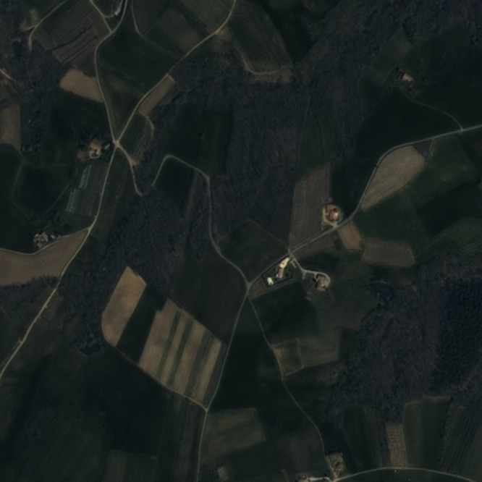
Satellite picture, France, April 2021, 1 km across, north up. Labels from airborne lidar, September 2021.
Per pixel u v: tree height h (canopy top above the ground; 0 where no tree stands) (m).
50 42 0
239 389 0
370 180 0
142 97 0
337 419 17
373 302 0
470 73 0
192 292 0
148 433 0
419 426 0
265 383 0
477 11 25
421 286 19
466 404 12
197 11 0
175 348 0
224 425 0
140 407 0
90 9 0
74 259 0
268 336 0
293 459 0
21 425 0
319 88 8
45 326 0
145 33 0
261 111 20
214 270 0
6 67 12
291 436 0
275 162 13
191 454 0
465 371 18
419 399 8
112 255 20
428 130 0
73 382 0
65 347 0
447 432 8
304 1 0
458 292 27
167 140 0
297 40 0
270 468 0
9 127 0
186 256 0
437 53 0
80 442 0
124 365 0
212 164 0
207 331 0
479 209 0
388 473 0
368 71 0
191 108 0
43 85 12
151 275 20
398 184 0
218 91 10
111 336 0
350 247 0
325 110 0
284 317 0
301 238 0
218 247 0
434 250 0
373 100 0
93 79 0
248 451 0
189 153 0
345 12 14
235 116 16
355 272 0
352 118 9
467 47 0
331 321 0
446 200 0
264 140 11
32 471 0
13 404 0
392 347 12
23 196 0
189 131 0
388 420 13
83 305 20
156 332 0
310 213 0
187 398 6
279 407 0
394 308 23
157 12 0
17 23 17
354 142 10
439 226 0
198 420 0
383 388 13
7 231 0
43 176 0
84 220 0
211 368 0
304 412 0
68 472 0
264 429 0
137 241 20
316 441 0
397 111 0
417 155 0
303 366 0
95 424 0
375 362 11
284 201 0
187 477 0
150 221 19
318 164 0
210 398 0
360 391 16
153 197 20
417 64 0
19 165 0
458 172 0
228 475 0
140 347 0
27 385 0
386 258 0
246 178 19
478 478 0
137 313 0
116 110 0
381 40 13
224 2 0
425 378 13
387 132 0
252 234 0
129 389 0
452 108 0
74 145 0
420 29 9
